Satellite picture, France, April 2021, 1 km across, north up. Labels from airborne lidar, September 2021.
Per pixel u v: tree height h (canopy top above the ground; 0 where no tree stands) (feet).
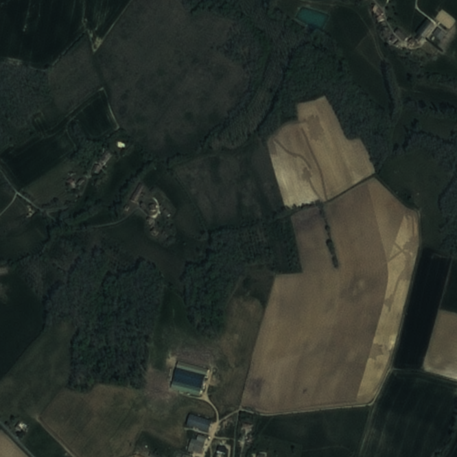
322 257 0
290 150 0
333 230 0
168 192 0
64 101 0
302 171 0
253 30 68
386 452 0
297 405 0
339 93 61
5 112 62
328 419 0
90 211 66
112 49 0
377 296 0
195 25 0
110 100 0
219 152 35
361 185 0
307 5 0
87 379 74
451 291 0
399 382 0
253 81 50
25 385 0
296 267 27
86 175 39
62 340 0
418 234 0
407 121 0
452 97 0
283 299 0
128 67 0
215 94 0
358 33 0
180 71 0
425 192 0
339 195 0
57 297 79
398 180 0
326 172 0
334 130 0
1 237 0
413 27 0
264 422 0
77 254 51
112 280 81
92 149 36
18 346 0
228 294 65
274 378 0
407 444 0
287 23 67
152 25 0
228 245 70
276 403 0
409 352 0
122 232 0
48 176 0
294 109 60
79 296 56
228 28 0
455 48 0
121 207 46
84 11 0
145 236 0
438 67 0
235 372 0
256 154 0
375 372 0
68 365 0
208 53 0
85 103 0
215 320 84
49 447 0
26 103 49
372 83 0
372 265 0
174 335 0
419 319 0
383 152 58
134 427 0
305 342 0
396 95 123
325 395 0
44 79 52
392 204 0
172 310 0
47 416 0
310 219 0
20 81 44
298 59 65
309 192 0
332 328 0
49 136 0
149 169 44
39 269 76
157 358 0
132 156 0
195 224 0
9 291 0
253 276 0
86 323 65
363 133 58
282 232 28
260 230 31
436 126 0
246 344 0
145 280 59
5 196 0
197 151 40
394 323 0
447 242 43
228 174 0
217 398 0
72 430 0
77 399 0
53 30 0
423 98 0
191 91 0
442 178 0
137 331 50
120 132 19
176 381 0
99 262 67
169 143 0
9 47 0
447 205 65
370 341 0
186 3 47
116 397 0
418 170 0
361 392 0
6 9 0
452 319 0
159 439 0
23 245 0
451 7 0
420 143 75
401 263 0
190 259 0
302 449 0
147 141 0
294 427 0
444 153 66
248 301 0
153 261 0
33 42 0
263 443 0
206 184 0
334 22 0
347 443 0
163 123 0
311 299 0
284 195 0
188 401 0
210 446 0
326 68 86
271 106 70
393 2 31
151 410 0
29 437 0
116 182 0
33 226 0
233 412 0
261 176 0
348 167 0
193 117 0
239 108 42
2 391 0
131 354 44
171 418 0
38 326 0
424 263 0
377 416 0
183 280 38
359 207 0
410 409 0
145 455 0
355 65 0
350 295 0
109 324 89
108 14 0
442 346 0
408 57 39
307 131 0
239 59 41
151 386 0
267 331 0
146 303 49
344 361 0
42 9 0
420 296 0
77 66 0
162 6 0
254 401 0
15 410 0
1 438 0
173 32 0
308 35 53
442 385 0
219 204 0
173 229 23
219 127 32
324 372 0
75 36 0
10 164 0
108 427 0
